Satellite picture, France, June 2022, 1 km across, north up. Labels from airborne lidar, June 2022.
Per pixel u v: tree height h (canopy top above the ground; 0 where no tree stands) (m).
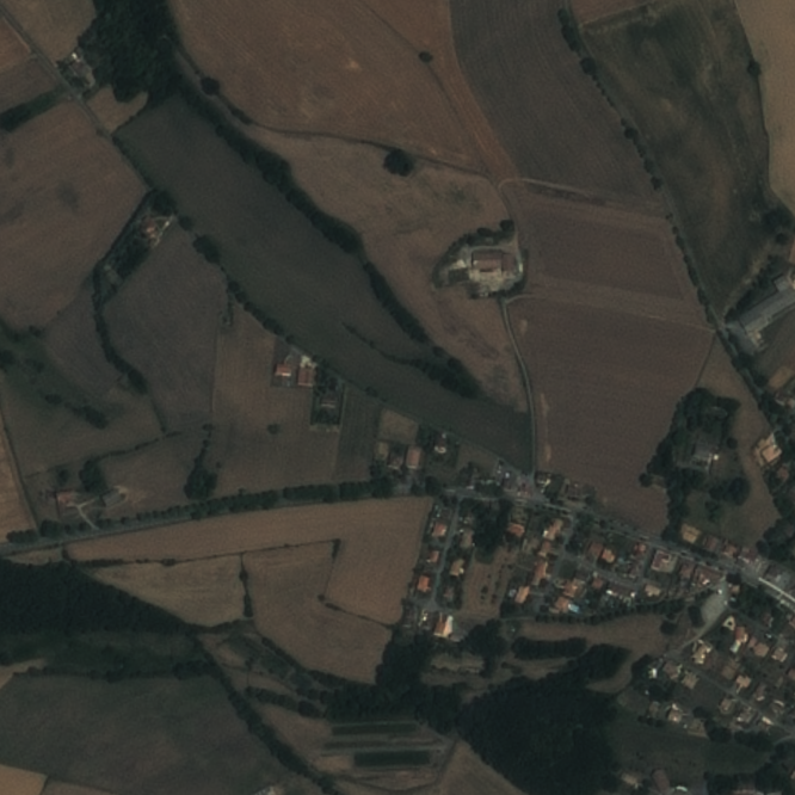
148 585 0
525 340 0
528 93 0
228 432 0
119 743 0
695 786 0
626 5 0
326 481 0
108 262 10
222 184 0
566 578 0
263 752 0
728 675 0
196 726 0
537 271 0
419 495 14
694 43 0
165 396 0
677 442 22
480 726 22
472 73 0
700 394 18
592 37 0
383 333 0
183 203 0
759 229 0
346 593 0
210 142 0
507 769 19
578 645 18
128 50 18
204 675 16
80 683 0
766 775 22
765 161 0
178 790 0
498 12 0
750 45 0
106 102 0
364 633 0
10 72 0
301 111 0
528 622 0
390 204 0
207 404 0
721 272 0
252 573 0
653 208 0
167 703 0
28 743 0
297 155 0
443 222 0
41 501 0
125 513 0
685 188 0
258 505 16
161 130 0
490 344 0
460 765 0
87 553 0
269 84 0
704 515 0
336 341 0
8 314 0
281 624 0
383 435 0
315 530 0
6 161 0
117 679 11
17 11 0
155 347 0
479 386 0
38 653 0
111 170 0
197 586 0
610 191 0
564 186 0
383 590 0
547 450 0
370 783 0
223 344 0
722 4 0
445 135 0
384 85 0
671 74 0
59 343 0
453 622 0
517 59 0
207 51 0
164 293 0
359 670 0
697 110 0
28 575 15
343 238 18
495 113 0
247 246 0
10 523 0
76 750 0
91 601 19
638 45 0
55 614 25
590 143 0
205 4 0
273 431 14
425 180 0
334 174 0
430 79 0
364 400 0
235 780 0
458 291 0
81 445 0
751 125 0
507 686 12
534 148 0
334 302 0
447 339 0
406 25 0
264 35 0
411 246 0
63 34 0
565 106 0
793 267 0
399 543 0
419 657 23
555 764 18
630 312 0
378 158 0
